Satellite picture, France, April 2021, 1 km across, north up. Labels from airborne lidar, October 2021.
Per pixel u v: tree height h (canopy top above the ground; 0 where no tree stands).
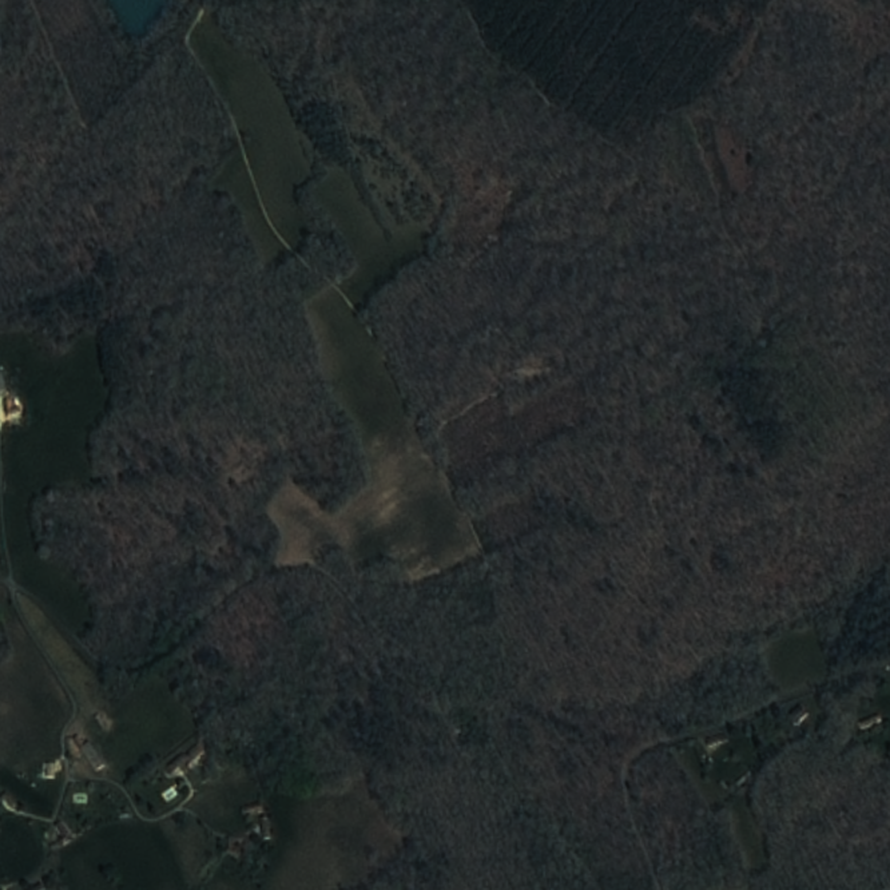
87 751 0
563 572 21
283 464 24
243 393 23
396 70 14
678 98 10
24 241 19
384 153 7
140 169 20
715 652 23
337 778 18
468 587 16
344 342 0
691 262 13
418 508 0
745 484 11
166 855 0
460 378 19
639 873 14
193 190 15
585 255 14
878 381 12
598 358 14
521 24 8
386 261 0
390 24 12
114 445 22
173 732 0
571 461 19
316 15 7
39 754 0
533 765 21
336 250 20
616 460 16
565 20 9
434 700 26
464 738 11
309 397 20
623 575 20
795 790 24
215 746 23
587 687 17
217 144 17
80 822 8
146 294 17
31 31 19
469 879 23
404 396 18
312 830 0
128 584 15
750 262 9
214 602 16
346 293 0
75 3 24
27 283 17
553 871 28
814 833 22
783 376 20
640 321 16
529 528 7
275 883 0
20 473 0
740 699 25
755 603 9
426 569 0
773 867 22
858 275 13
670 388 14
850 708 20
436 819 20
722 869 22
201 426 18
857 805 19
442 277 19
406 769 27
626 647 17
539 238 17
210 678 21
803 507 18
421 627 22
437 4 17
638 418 17
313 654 13
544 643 20
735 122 16
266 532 18
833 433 28
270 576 14
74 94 21
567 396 6
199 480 22
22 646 0
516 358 12
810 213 11
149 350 15
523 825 29
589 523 22
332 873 0
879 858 16
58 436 0
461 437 6
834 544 17
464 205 11
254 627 10
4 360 0
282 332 29
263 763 23
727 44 9
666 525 18
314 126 13
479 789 24
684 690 16
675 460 11
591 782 15
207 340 22
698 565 17
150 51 7
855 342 16
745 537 10
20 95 9
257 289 28
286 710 13
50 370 0
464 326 18
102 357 14
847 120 14
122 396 12
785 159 8
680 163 16
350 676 20
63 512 21
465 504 22
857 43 9
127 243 13
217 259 18
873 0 17
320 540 0
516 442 7
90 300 13
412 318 18
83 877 0
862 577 17
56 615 0
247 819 8
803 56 15
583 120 10
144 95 23
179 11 9
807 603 21
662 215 12
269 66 9
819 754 22
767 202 9
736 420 11
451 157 11
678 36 10
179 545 19
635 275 18
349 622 16
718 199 12
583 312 16
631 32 10
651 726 21
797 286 14
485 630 24
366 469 19
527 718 19
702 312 16
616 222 18
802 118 11
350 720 31
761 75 13
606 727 12
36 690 0
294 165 0
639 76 10
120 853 0
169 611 9
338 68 18
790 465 15
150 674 17
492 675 22
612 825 14
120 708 0
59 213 16
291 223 0
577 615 20
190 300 24
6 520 0
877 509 9
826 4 17
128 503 14
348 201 0
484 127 18
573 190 22
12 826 0
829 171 10
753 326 19
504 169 14
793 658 0
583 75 10
